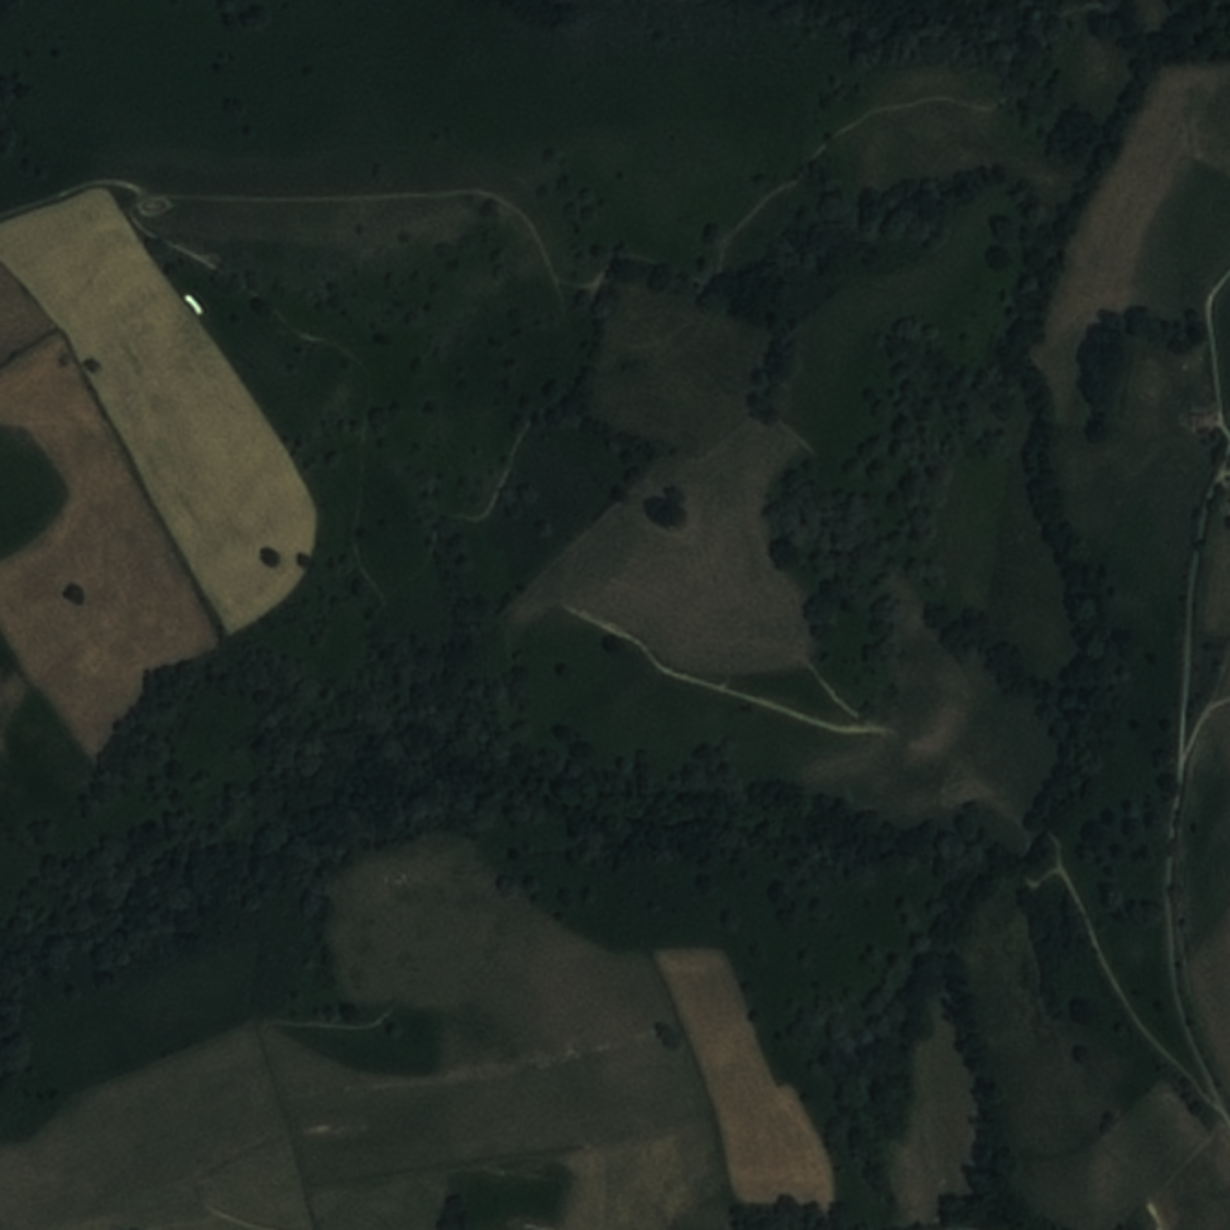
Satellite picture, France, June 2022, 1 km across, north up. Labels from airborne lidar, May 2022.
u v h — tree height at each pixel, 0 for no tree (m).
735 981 0
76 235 0
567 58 0
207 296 0
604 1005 0
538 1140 0
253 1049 0
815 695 0
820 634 17
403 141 0
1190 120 0
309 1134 0
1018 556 0
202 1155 0
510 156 0
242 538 0
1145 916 16
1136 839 13
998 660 13
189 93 0
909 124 0
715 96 0
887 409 8
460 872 0
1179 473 0
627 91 0
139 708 7
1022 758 0
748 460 0
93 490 0
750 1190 0
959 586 0
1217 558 0
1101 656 27
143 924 19
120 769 15
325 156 0
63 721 0
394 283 10
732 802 21
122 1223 0
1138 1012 0
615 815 19
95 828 0
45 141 0
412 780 23
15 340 0
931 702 0
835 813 19
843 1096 17
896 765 0
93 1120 0
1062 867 0
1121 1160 0
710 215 0
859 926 0
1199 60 9
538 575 0
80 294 0
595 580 0
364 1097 0
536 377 0
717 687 0
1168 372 0
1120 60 0
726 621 0
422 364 10
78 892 10
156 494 0
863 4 19
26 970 16
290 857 16
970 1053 16
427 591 0
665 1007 0
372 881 0
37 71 0
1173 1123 0
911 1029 19
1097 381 25
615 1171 0
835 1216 12
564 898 10
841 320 0
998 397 19
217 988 0
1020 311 10
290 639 0
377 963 0
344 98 0
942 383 7
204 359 0
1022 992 0
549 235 0
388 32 0
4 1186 0
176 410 0
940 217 15
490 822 12
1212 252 0
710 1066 0
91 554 0
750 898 0
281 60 0
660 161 0
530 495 10
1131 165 0
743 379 0
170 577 0
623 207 0
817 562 12
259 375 0
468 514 0
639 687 0
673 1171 0
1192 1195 0
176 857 14
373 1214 0
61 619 0
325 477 0
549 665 0
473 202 0
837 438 0
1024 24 8
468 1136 0
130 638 0
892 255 0
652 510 14
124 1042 0
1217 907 0
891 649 10
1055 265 13
